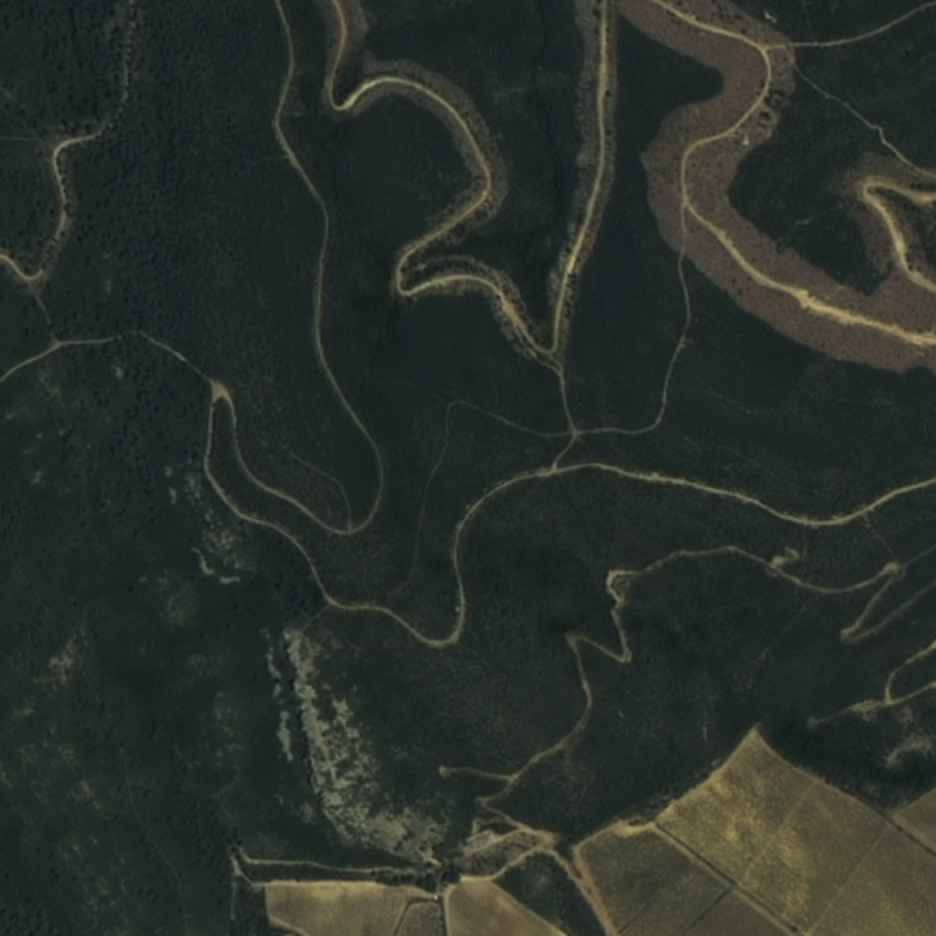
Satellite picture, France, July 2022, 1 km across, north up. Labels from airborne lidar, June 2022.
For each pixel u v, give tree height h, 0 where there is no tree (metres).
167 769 0
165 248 10
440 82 0
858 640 0
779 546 0
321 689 0
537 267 6
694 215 0
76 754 0
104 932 0
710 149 0
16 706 0
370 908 0
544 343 7
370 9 0
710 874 0
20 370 0
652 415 0
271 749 0
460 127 0
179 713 0
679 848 0
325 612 0
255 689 0
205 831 11
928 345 0
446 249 7
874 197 0
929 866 0
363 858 0
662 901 0
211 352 5
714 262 0
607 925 0
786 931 0
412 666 0
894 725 0
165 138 6
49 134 8
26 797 0
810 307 0
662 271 0
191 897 0
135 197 8
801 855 0
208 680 0
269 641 0
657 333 0
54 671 0
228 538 0
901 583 0
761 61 0
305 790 0
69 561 0
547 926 0
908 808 0
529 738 0
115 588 0
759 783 0
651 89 0
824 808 0
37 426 0
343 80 8
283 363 9
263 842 0
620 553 0
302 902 0
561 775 0
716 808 0
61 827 0
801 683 0
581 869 0
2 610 0
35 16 13
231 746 0
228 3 11
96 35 7
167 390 8
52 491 0
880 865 0
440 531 0
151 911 0
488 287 0
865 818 0
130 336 9
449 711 0
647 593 0
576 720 0
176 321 10
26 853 0
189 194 6
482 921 0
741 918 0
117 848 0
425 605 0
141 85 11
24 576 0
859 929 0
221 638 0
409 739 0
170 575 0
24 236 13
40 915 10
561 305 0
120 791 8
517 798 0
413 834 7
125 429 8
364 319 8
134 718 0
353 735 0
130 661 0
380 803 0
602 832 0
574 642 0
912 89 0
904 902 0
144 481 9
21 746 0
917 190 11
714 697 0
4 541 7
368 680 0
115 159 8
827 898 0
